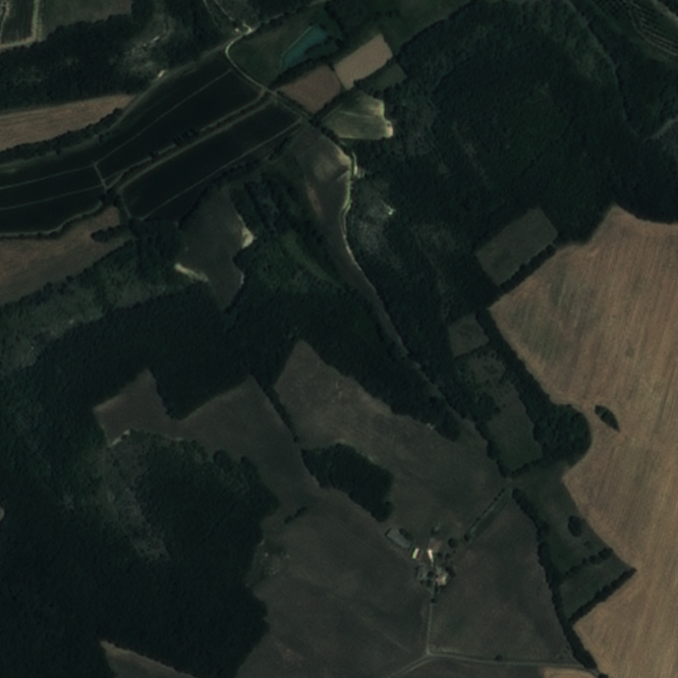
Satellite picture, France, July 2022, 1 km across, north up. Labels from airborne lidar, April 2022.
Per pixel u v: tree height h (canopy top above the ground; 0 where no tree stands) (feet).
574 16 28
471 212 64
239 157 0
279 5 47
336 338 38
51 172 0
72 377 32
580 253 0
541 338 0
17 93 44
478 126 34
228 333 57
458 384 39
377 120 0
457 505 0
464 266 28
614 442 0
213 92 0
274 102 0
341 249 0
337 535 0
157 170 0
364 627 0
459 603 0
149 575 52
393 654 0
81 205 0
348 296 35
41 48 49
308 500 0
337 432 0
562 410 28
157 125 0
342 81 0
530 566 0
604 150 55
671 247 0
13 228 0
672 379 0
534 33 26
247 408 0
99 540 42
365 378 33
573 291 0
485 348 26
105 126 44
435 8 0
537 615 0
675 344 0
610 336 0
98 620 62
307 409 0
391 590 0
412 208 40
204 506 21
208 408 0
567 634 30
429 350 41
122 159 0
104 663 52
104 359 36
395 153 35
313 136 0
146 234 58
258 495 40
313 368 0
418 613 0
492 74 47
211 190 39
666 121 29
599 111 52
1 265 0
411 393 76
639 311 0
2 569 43
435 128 30
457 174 26
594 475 0
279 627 0
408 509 0
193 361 41
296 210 0
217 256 0
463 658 0
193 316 68
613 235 0
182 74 0
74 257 0
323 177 0
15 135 0
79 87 59
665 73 58
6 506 35
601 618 0
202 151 0
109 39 42
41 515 40
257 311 24
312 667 0
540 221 0
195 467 23
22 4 0
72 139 61
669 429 0
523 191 26
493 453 54
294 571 0
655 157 60
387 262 0
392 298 64
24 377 25
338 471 38
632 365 0
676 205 70
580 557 0
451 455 0
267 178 19
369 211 0
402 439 0
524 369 30
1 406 47
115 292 0
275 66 0
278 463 0
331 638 0
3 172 0
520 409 0
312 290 23
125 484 0
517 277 31
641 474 0
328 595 0
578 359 0
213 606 60
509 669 0
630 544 0
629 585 0
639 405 0
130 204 0
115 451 0
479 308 21
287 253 45
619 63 48
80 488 22
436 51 40
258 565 0
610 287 0
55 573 61
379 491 52
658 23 0
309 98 0
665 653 0
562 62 38
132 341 40
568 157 23
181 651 54
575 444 37
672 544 0
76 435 25
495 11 37
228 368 44
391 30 0
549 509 0
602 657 0
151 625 61
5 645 54
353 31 26
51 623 67
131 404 0
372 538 0
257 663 0
